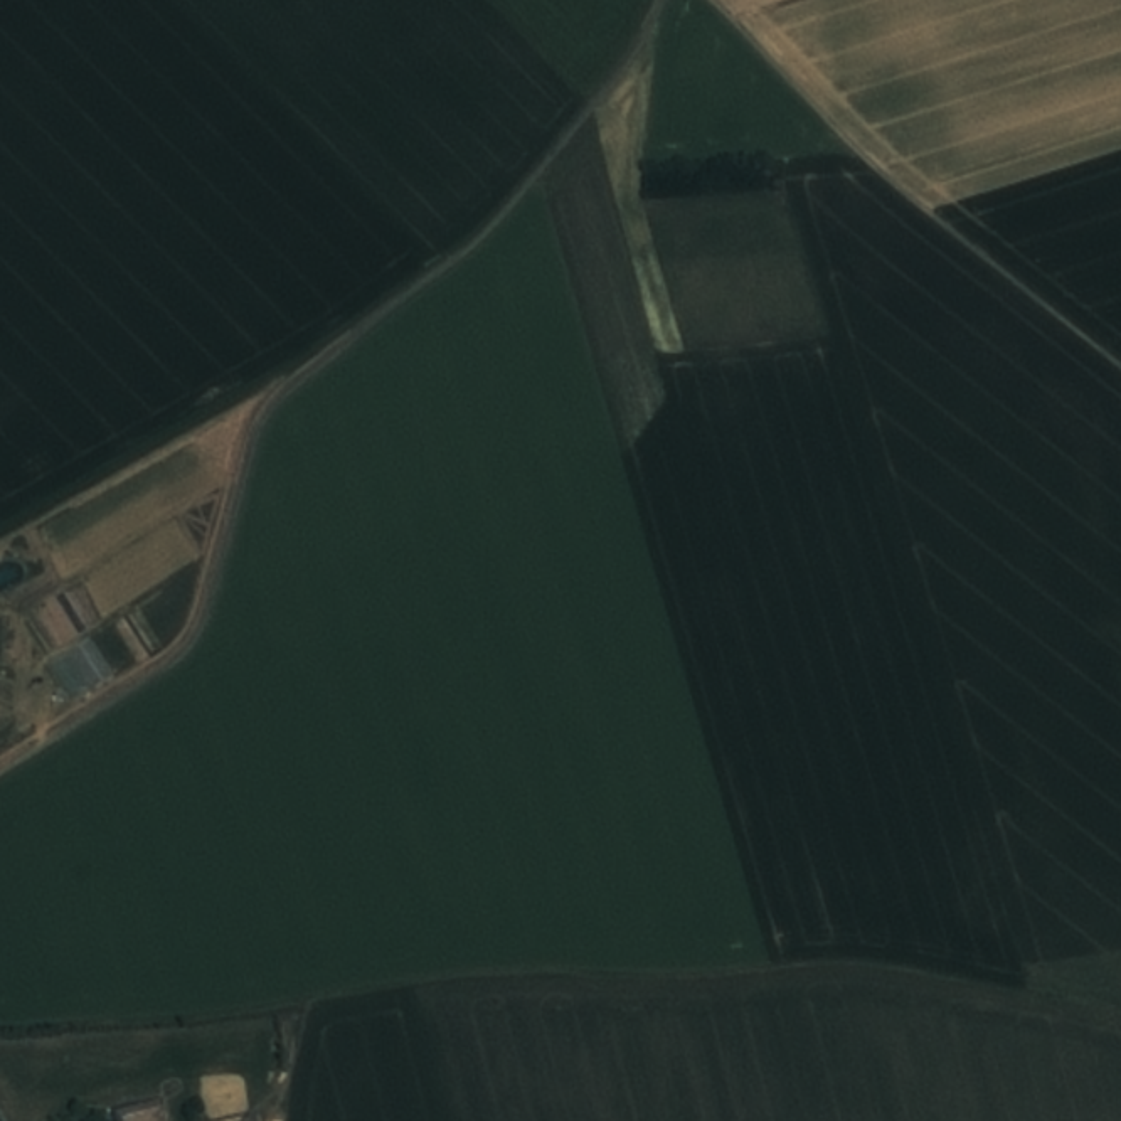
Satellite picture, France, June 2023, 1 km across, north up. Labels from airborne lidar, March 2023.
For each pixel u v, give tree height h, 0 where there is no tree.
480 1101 0
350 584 0
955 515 0
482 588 0
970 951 0
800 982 0
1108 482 0
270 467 0
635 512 0
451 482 0
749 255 0
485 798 0
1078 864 0
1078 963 0
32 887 0
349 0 0
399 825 0
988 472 0
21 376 0
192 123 0
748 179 9
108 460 0
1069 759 0
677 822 0
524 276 0
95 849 0
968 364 0
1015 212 0
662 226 0
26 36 0
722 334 0
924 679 0
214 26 0
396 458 0
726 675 0
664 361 0
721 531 0
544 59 0
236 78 0
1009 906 0
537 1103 0
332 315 0
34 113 0
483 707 0
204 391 0
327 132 0
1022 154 0
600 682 0
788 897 0
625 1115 0
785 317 0
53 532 0
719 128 0
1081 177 0
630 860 0
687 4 0
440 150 0
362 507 0
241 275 0
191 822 0
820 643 0
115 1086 0
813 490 0
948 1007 0
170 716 0
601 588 0
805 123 0
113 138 0
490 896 0
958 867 0
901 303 0
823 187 0
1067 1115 0
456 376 0
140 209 0
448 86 0
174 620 0
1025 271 0
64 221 0
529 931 0
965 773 0
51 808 0
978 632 0
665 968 0
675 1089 0
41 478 0
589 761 0
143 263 0
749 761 0
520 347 0
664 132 0
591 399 0
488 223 0
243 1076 0
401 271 0
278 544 0
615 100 0
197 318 0
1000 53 0
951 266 0
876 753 0
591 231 0
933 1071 0
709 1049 0
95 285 0
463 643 0
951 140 0
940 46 0
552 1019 0
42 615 0
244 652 0
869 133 0
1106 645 0
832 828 0
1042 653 0
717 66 0
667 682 0
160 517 0
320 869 0
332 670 0
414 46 0
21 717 0
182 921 0
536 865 0
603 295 0
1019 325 0
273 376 0
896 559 0
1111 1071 0
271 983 0
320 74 0
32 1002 0
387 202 0
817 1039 0
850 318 0
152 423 0
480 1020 0
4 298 0
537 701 0
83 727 0
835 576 0
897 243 0
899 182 0
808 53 0
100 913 0
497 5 0
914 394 0
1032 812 0
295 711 0
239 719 0
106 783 0
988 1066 0
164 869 0
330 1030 0
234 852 0
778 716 0
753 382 0
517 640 0
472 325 0
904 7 0
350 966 0
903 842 0
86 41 0
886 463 0
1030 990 0
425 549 0
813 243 0
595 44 0
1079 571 0
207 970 0
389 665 0
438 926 0
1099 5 0
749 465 0
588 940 0
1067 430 0
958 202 0
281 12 0
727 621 0
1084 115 0
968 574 0
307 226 0
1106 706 0
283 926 0
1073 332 0
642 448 0
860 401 0
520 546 0
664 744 0
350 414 0
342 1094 0
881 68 0
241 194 0
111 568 0
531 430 0
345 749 0
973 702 0
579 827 0
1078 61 0
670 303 0
